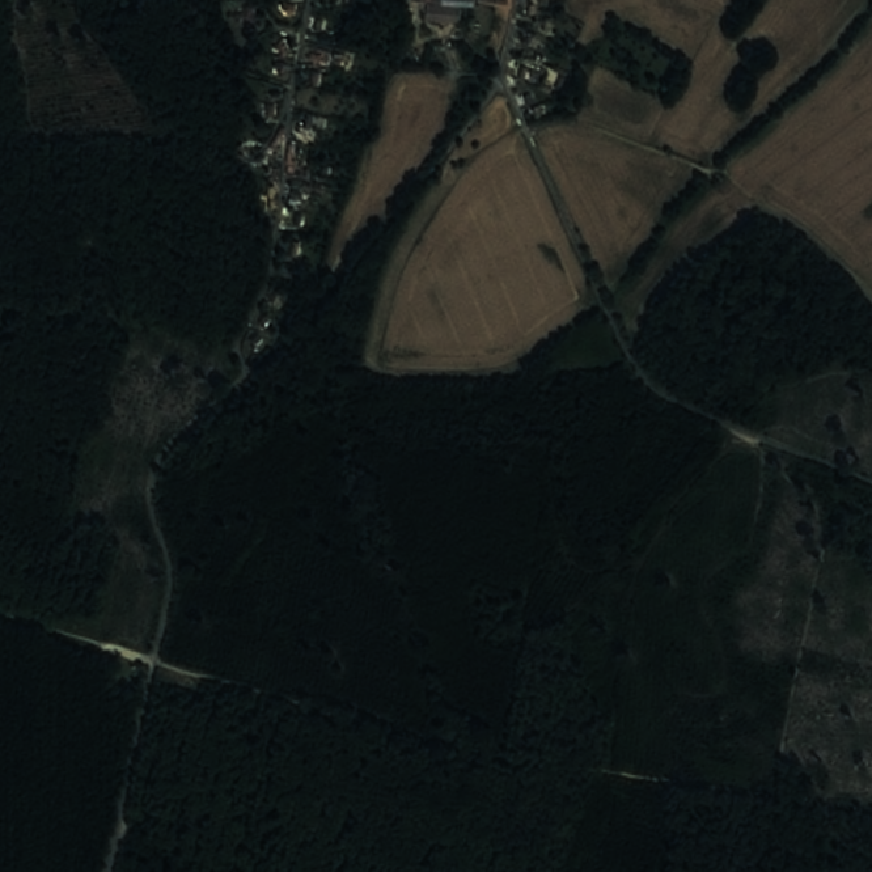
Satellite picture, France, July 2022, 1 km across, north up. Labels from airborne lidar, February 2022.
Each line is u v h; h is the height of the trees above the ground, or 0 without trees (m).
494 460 13
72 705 17
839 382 0
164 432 0
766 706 0
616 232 0
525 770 25
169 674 0
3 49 21
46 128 0
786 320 24
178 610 7
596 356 0
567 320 0
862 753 0
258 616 8
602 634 27
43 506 13
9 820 19
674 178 0
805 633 0
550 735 27
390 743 25
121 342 22
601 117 0
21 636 20
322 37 13
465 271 0
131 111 0
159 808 24
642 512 6
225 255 24
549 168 0
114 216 20
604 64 0
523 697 22
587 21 0
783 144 0
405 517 8
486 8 0
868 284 0
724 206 0
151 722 13
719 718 0
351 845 26
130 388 0
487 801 25
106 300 25
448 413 13
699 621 0
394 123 0
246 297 10
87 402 22
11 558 26
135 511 0
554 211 0
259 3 17
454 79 0
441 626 9
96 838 20
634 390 14
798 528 0
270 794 23
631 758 0
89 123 0
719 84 0
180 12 26
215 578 5
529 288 0
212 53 26
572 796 23
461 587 9
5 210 23
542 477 8
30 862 17
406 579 8
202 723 23
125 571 0
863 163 0
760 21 0
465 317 0
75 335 25
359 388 18
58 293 25
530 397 14
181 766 23
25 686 19
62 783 18
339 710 21
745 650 0
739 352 30
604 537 21
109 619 0
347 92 6
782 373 24
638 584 0
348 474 24
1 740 20
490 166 0
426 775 23
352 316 29
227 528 24
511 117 0
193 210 24
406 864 26
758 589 0
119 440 0
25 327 23
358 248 17
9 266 25
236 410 26
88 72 0
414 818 24
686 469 6
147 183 19
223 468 9
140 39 24
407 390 14
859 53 0
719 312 34
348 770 23
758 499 0
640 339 14
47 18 0
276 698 20
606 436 13
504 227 0
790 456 0
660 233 13
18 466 27
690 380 28
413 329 0
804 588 0
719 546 0
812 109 0
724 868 17
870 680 0
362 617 6
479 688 9
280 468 6
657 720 0
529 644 22
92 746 18
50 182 21
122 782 19
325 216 8
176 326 22
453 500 11
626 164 0
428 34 6
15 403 20
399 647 7
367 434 15
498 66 18
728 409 23
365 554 23
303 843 24
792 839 19
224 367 0
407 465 13
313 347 30
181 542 10
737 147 12
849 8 0
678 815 22
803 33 0
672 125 0
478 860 26
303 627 6
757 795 18
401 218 18
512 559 12
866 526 23
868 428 0
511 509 11
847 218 0
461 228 0
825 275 17
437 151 10
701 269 30
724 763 0
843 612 0
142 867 23
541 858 26
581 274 0
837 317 19
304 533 9
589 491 16
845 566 0
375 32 15
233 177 25
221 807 26
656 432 11
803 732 0
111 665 18
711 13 0
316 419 7
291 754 22
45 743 18
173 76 25
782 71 0
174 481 10
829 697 0
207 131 21
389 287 0
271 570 6
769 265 12
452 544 11
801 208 0
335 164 6
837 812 17
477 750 29
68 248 24
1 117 18
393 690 6
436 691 29
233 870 22
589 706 25
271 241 10
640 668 0
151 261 19
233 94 23
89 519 22
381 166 0
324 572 6
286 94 6
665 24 0
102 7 28
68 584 24
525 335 0
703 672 0
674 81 23
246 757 22
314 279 27
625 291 0
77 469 25
